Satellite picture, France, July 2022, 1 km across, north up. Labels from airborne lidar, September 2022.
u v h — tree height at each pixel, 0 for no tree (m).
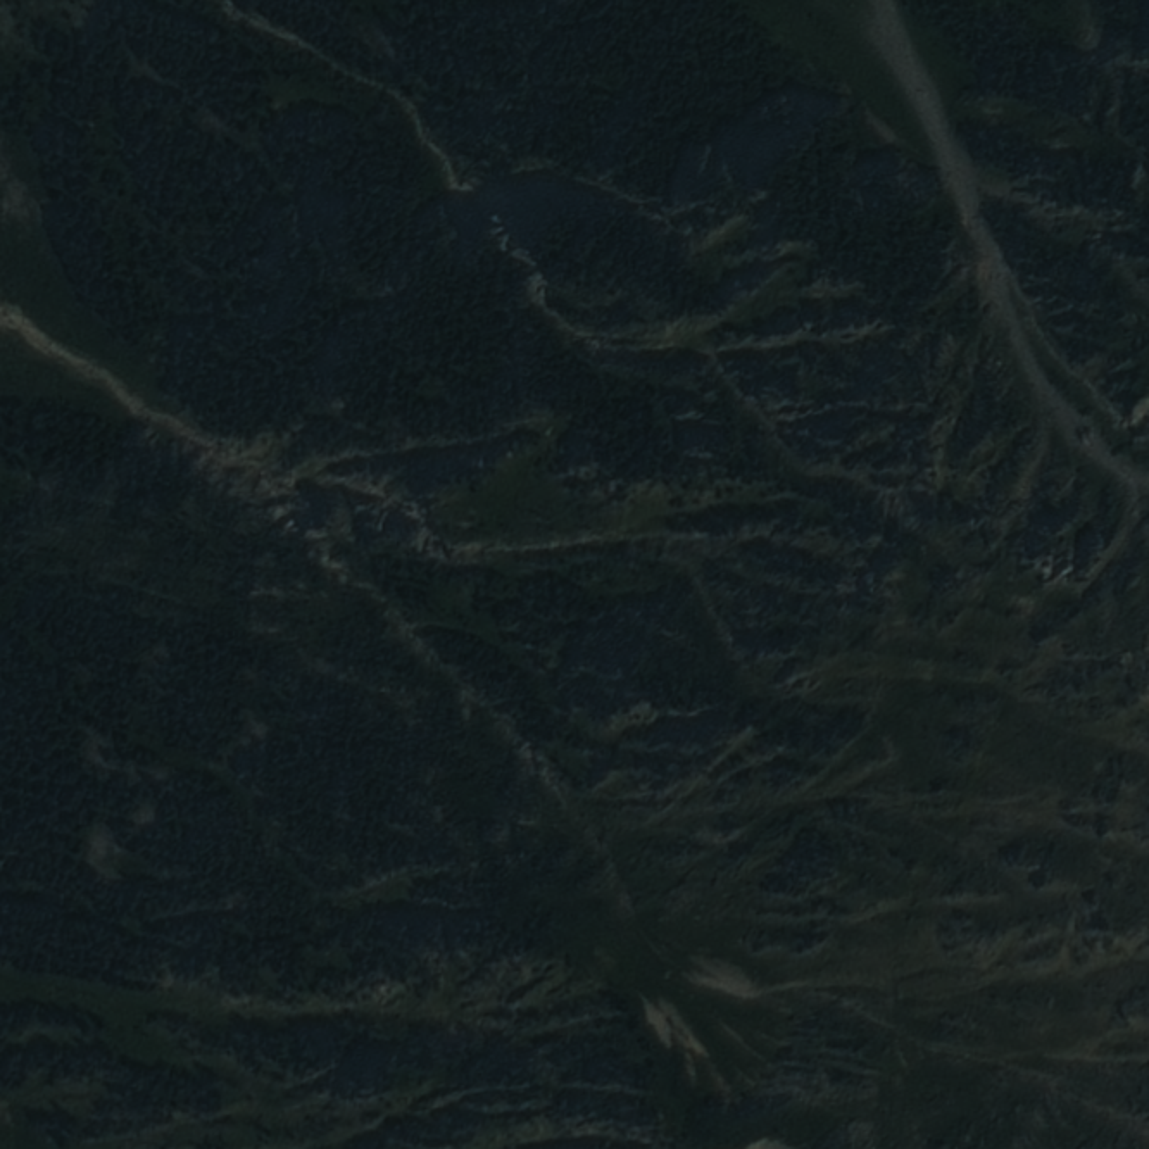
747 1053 0
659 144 10
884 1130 0
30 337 0
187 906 6
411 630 0
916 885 0
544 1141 0
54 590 19
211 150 11
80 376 0
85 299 13
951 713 0
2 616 0
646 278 7
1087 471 0
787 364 0
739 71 9
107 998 0
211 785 10
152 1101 16
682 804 0
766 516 7
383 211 8
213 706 9
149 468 7
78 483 7
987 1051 0
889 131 0
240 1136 0
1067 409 0
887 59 0
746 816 0
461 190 0
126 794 12
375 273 8
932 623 0
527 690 7
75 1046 0
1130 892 0
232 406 8
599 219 7
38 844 19
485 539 0
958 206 0
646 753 0
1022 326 0
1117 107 0
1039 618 0
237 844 9
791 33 0
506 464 0
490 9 10
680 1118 0
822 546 0
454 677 0
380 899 0
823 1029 0
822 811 0
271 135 14
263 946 9
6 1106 0
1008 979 0
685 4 7
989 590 0
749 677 0
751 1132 0
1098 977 0
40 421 11
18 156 0
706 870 0
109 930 19
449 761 6
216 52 12
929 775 0
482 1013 0
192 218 11
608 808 0
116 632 17
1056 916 0
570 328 0
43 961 15
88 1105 0
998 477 7
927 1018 0
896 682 0
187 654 11
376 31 0
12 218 0
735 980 0
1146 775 0
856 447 14
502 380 8
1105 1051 0
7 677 12
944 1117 0
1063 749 0
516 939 8
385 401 10
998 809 0
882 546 0
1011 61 8
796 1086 0
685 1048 0
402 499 0
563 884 0
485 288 7
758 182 7
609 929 0
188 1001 0
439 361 11
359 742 6
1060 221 0
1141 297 0
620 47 7
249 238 20
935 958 0
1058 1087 0
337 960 0
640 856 0
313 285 12
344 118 9
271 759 9
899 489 7
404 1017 0
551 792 0
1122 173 8
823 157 8
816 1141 0
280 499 0
